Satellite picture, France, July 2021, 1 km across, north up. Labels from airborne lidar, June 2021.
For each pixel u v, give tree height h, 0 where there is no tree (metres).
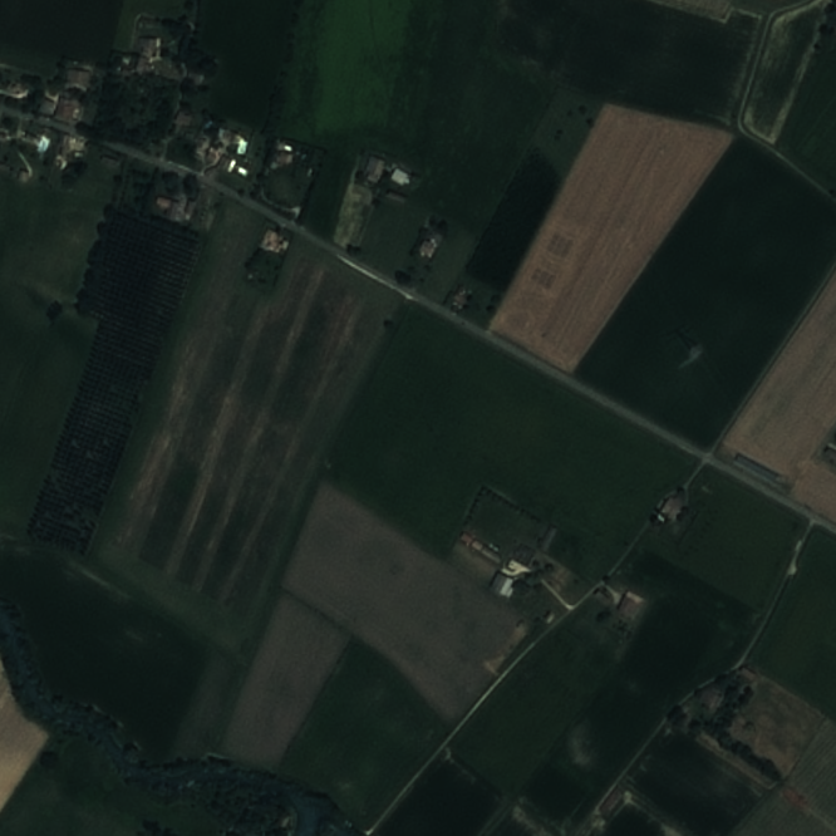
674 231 0
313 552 0
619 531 0
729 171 0
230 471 0
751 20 0
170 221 9
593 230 0
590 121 7
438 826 0
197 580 0
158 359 16
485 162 0
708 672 0
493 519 0
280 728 0
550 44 0
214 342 0
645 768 0
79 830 0
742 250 0
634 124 0
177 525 0
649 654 0
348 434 0
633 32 0
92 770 0
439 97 0
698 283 0
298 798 0
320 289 0
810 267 0
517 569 0
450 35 0
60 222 0
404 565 0
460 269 0
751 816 0
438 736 0
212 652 0
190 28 13
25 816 0
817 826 0
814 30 0
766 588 0
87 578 0
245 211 0
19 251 0
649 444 0
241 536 0
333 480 0
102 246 17
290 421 0
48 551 0
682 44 0
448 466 0
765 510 0
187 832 0
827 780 0
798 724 0
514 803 0
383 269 0
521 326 0
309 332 0
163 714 0
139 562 0
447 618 0
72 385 0
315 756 0
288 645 0
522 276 0
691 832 0
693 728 12
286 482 0
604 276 0
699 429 0
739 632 0
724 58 0
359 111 0
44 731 0
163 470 0
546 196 7
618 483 0
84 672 0
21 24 0
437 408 0
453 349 0
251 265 8
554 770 0
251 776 7
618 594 0
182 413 0
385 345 0
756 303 0
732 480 0
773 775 7
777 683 0
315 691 0
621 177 0
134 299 20
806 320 0
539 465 0
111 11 0
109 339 19
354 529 0
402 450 0
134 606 0
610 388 0
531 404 0
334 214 0
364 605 0
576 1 0
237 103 0
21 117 0
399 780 0
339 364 0
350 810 0
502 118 0
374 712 0
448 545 0
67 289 0
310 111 0
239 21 0
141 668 0
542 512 0
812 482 0
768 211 0
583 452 0
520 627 0
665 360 0
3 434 0
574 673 0
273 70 0
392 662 0
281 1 0
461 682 0
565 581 0
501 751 0
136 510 0
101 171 0
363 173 9
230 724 0
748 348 0
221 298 0
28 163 0
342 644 0
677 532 0
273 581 0
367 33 0
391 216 0
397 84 0
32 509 0
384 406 0
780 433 0
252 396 0
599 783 0
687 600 0
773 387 0
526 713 0
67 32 0
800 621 0
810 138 0
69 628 0
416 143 0
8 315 0
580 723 0
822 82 0
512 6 0
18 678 7
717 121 0
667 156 0
